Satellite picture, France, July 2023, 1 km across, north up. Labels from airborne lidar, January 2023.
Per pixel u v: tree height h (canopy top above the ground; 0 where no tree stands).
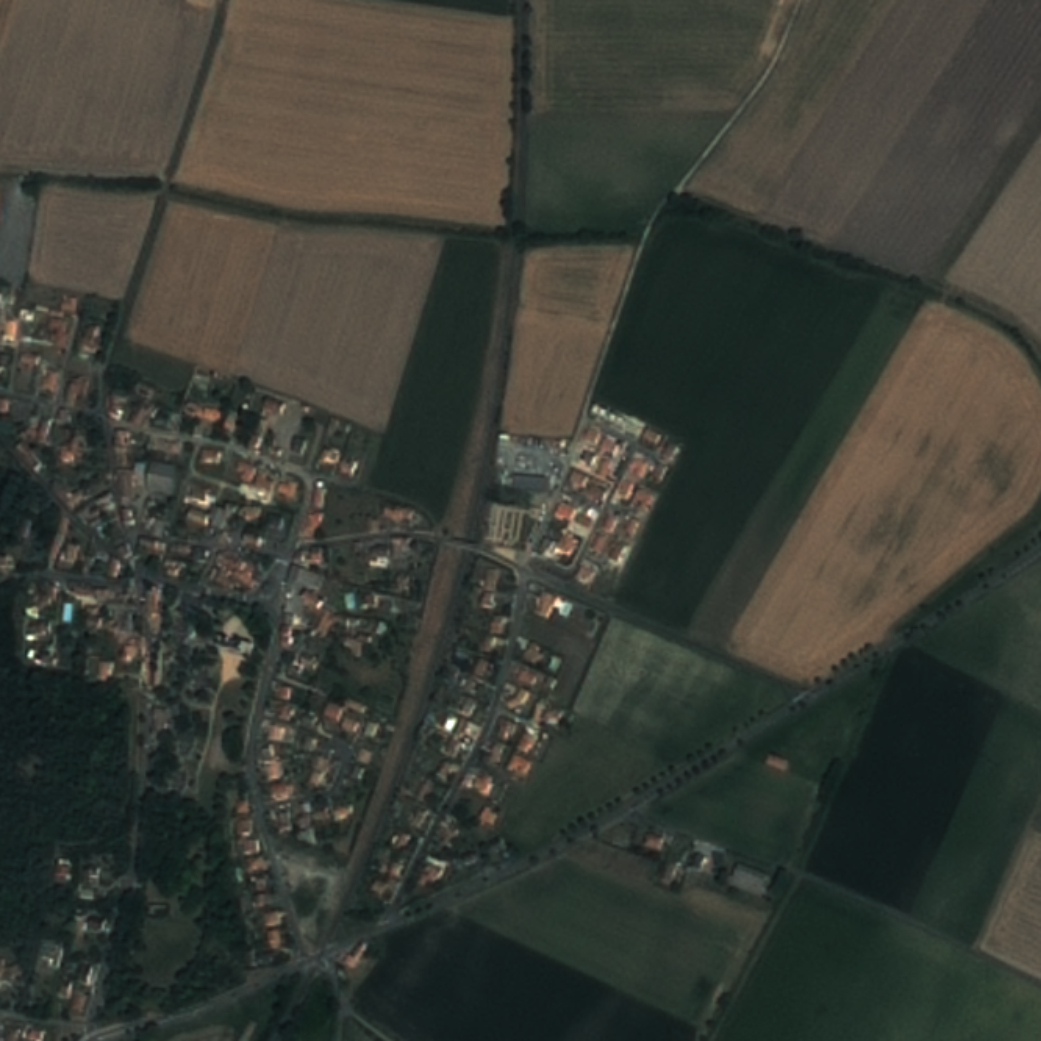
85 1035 0
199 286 0
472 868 7
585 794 0
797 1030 0
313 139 0
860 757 0
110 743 14
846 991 0
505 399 0
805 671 0
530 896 0
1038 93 0
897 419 0
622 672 0
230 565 0
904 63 0
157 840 15
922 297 0
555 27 0
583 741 0
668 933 0
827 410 0
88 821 15
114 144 0
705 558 0
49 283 0
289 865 0
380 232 0
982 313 0
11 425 17
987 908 0
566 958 0
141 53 0
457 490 0
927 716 0
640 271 0
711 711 0
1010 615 0
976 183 0
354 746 0
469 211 0
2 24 0
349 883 0
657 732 0
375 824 0
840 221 0
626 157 0
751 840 0
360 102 0
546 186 0
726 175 0
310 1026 7
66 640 12
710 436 0
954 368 0
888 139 0
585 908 0
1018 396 0
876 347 0
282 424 0
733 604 0
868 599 0
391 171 0
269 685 0
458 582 0
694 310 0
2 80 0
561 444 0
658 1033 0
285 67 0
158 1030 15
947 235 0
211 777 0
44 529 13
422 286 0
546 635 0
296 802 0
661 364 0
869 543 0
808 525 0
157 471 0
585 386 0
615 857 0
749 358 0
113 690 11
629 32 0
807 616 0
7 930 15
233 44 0
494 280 0
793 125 0
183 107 0
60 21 0
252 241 0
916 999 0
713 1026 8
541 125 0
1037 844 0
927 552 0
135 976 15
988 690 0
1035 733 0
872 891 0
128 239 0
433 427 0
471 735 0
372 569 0
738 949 0
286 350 0
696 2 0
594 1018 0
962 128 0
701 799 0
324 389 0
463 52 0
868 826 0
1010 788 0
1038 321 0
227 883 14
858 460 0
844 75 0
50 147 0
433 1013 0
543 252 0
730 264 0
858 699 0
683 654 0
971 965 0
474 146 0
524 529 0
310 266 0
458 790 0
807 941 0
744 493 0
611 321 0
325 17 0
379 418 0
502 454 0
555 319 0
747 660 0
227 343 0
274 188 0
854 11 0
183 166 0
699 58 0
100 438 9
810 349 0
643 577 0
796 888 0
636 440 0
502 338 0
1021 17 0
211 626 17
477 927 0
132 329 0
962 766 0
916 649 0
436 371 0
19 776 15
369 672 0
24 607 0
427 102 0
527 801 0
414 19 0
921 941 0
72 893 11
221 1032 0
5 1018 0
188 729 17
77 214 0
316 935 0
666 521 0
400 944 0
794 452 0
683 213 8
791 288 0
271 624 16
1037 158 0
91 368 0
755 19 0
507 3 0
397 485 0
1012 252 0
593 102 0
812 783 0
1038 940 0
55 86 0
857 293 0
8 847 9
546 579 0
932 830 0
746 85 0
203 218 0
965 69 0
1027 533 0
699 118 0
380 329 0
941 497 0
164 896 13
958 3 0
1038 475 0
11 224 0
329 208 0
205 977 14
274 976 0
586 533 0
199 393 0
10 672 21
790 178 0
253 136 0
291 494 0
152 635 0
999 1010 0
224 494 0
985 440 0
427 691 0
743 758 0
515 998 0
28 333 0
